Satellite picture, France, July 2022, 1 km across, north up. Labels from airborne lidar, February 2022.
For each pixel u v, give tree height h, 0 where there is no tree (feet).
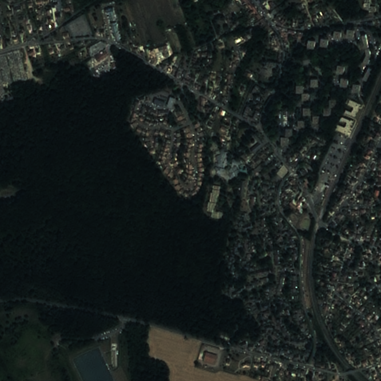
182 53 24
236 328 43
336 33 0
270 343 28
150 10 0
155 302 74
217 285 78
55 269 62
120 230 85
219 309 72
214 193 0
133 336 32
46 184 67
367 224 31
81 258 55
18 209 72
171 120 47
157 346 0
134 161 68
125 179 70
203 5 29
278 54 0
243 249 40
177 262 81
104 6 0
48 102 61
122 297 66
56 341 0
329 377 0
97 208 72
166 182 50
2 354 0
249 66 31
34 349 0
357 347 0
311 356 24
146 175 80
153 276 69
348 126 0
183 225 81
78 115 60
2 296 42
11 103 46
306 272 0
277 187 43
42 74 43
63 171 73
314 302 0
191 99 57
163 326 46
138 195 71
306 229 0
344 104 55
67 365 0
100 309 62
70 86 54
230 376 0
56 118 59
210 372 0
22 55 0
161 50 0
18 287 59
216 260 73
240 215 0
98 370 0
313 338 24
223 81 25
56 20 0
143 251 68
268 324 39
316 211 0
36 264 52
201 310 71
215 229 59
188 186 0
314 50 67
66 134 57
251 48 24
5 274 57
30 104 52
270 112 73
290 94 71
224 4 47
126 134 54
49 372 0
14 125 68
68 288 75
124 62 63
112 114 60
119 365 0
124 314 55
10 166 73
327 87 68
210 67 40
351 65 66
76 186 64
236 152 43
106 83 67
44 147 65
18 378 0
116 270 74
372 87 52
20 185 58
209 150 43
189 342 0
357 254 66
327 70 65
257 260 52
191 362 0
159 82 55
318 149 38
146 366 62
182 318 75
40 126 63
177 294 74
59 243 59
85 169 68
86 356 0
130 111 55
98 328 55
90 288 75
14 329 43
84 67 47
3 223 67
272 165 22
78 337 30
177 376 0
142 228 67
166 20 0
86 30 0
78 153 62
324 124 71
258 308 50
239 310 67
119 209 67
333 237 56
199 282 74
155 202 69
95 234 78
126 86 69
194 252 86
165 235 74
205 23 20
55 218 75
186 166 0
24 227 63
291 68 75
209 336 61
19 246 53
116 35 0
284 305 46
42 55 0
